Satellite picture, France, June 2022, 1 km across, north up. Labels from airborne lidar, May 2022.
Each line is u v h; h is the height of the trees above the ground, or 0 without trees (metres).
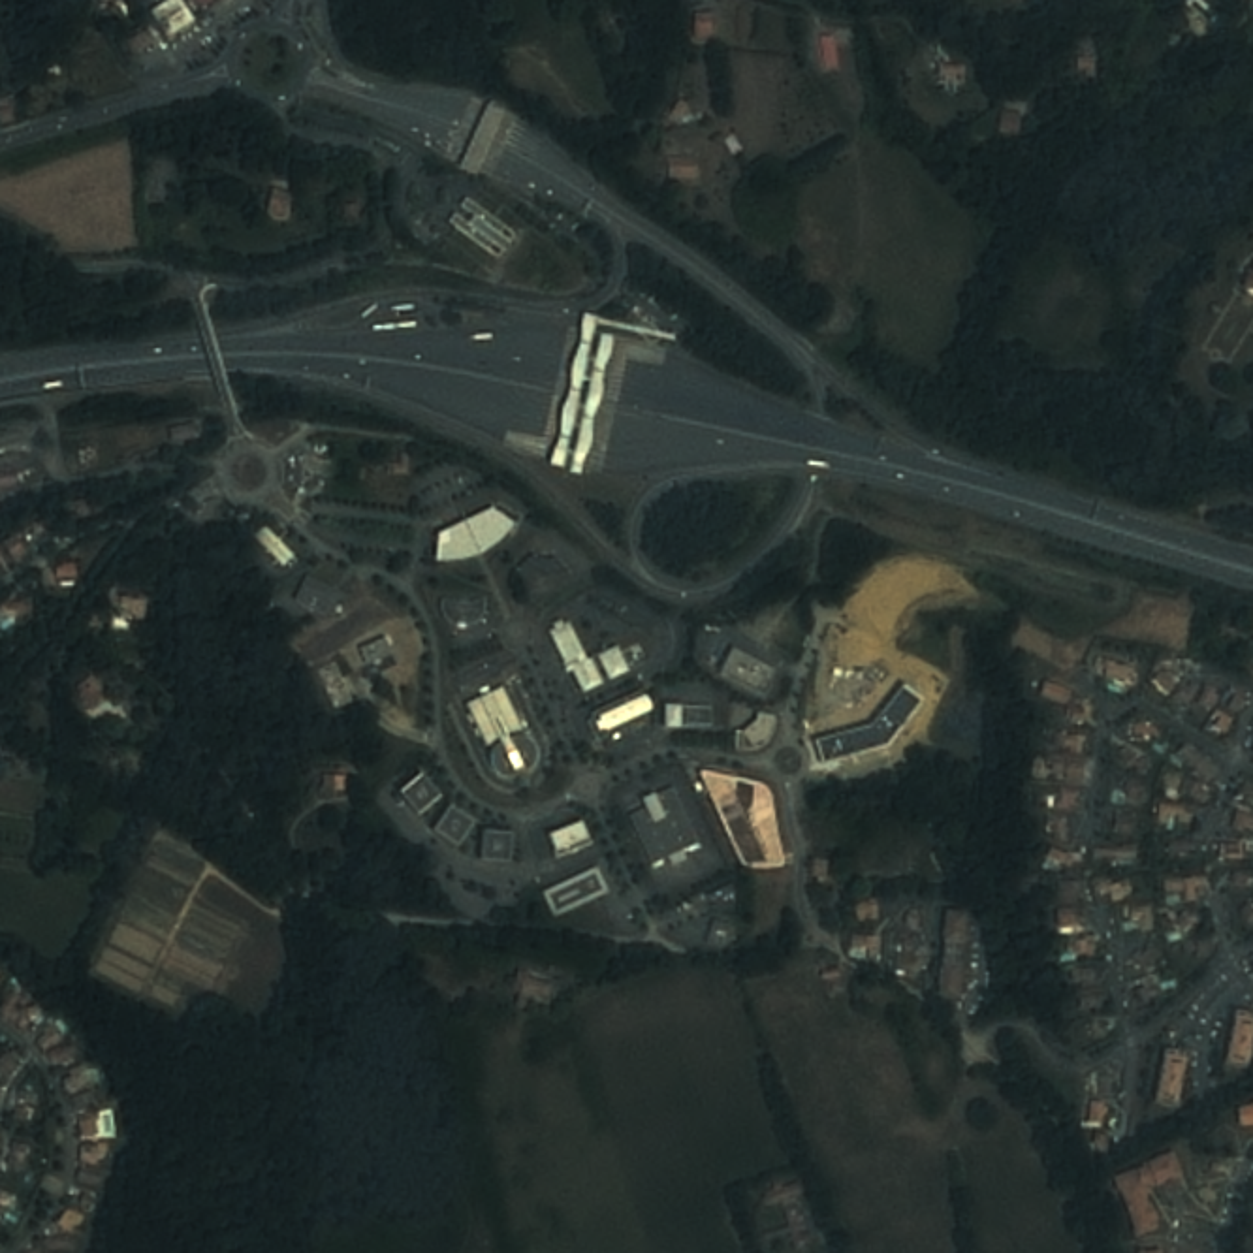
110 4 9
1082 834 0
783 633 0
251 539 21
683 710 0
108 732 16
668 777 0
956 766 17
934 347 0
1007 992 23
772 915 0
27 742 15
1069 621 0
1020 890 12
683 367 0
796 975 0
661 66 18
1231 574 0
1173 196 24
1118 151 27
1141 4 15
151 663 6
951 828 24
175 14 0
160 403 8
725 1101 0
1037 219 22
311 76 0
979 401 9
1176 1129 15
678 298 11
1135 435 23
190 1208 27
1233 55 22
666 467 0
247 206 12
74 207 9
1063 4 27
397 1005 22
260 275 12
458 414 0
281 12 0
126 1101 19
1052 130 14
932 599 0
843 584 8
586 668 0
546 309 0
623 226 0
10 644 8
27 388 0
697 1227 0
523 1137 0
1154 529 0
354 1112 24
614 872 8
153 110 7
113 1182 12
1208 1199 0
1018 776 7
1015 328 0
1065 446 21
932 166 15
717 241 13
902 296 0
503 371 0
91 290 18
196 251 7
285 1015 20
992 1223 0
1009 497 0
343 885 17
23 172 0
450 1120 28
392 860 14
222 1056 29
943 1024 19
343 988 24
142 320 17
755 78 0
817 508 0
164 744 15
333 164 21
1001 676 15
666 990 0
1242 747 0
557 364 0
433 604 0
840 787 19
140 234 7
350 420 7
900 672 0
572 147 15
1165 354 10
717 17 0
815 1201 19
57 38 20
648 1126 0
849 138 10
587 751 12
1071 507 0
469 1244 0
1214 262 19
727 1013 0
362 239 15
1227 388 22
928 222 0
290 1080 29
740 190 9
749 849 0
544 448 0
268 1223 29
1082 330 0
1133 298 0
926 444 0
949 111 0
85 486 11
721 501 13
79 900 0
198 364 0
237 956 0
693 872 0
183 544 15
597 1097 0
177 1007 0
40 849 6
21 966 26
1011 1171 0
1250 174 28
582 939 11
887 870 0
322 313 0
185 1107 23
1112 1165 19
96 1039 22
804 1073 0
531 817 0
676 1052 0
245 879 16
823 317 21
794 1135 10
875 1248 0
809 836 0
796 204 10
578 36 0
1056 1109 9
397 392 0
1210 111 11
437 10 20
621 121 12
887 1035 0
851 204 0
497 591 0
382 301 0
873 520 0
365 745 22
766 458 0
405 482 0
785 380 9
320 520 10
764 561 7
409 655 0
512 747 0
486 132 0
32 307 9
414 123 0
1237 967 0
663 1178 0
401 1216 26
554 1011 9
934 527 0
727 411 0
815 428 0
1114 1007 8
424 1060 22
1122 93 12
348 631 0
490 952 17
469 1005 12
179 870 0
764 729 0
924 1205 0
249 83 0
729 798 0
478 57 16
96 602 15
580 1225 0
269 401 7
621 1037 0
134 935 0
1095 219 19
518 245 0
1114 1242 20
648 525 9
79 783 21
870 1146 0
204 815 13
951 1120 0
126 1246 24
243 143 19
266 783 18
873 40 14
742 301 0
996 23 22
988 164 12
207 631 26
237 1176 20
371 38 16
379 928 25
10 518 8
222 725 20
